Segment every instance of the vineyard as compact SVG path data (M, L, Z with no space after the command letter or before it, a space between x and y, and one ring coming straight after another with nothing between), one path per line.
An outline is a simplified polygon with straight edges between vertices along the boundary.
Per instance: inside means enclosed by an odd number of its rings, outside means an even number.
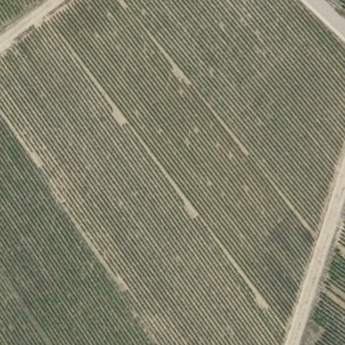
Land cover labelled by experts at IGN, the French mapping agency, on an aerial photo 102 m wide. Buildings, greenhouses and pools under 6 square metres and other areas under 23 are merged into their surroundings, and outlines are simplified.
M0 35L46 0L0 0Z
M319 225L322 224L322 209L329 195L329 186L333 181L334 170L345 142L345 43L341 42L310 9L307 9L301 0L65 0L43 16L39 27L28 27L16 36L15 43L7 49L7 53L0 53L0 345L284 345L287 322L298 299L298 291L310 263L315 240L321 232Z
M299 345L345 345L345 220L341 239L333 237L330 243L313 309L307 318Z

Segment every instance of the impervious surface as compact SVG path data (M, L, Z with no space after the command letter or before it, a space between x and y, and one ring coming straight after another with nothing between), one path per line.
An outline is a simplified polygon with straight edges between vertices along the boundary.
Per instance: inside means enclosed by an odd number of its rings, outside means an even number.
M345 43L345 0L301 0L307 9L310 9L341 42Z

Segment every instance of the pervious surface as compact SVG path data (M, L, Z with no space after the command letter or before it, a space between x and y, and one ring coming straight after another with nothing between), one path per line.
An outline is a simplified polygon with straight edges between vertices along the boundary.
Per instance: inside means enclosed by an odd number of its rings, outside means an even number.
M329 195L322 209L322 224L319 225L321 232L315 240L310 263L298 291L298 299L287 322L284 345L299 345L307 318L313 309L330 243L333 237L341 239L345 220L345 142L334 170L333 181L329 186Z
M28 27L39 27L43 16L65 0L46 0L0 35L0 53L7 53L7 49L15 43L16 36Z

